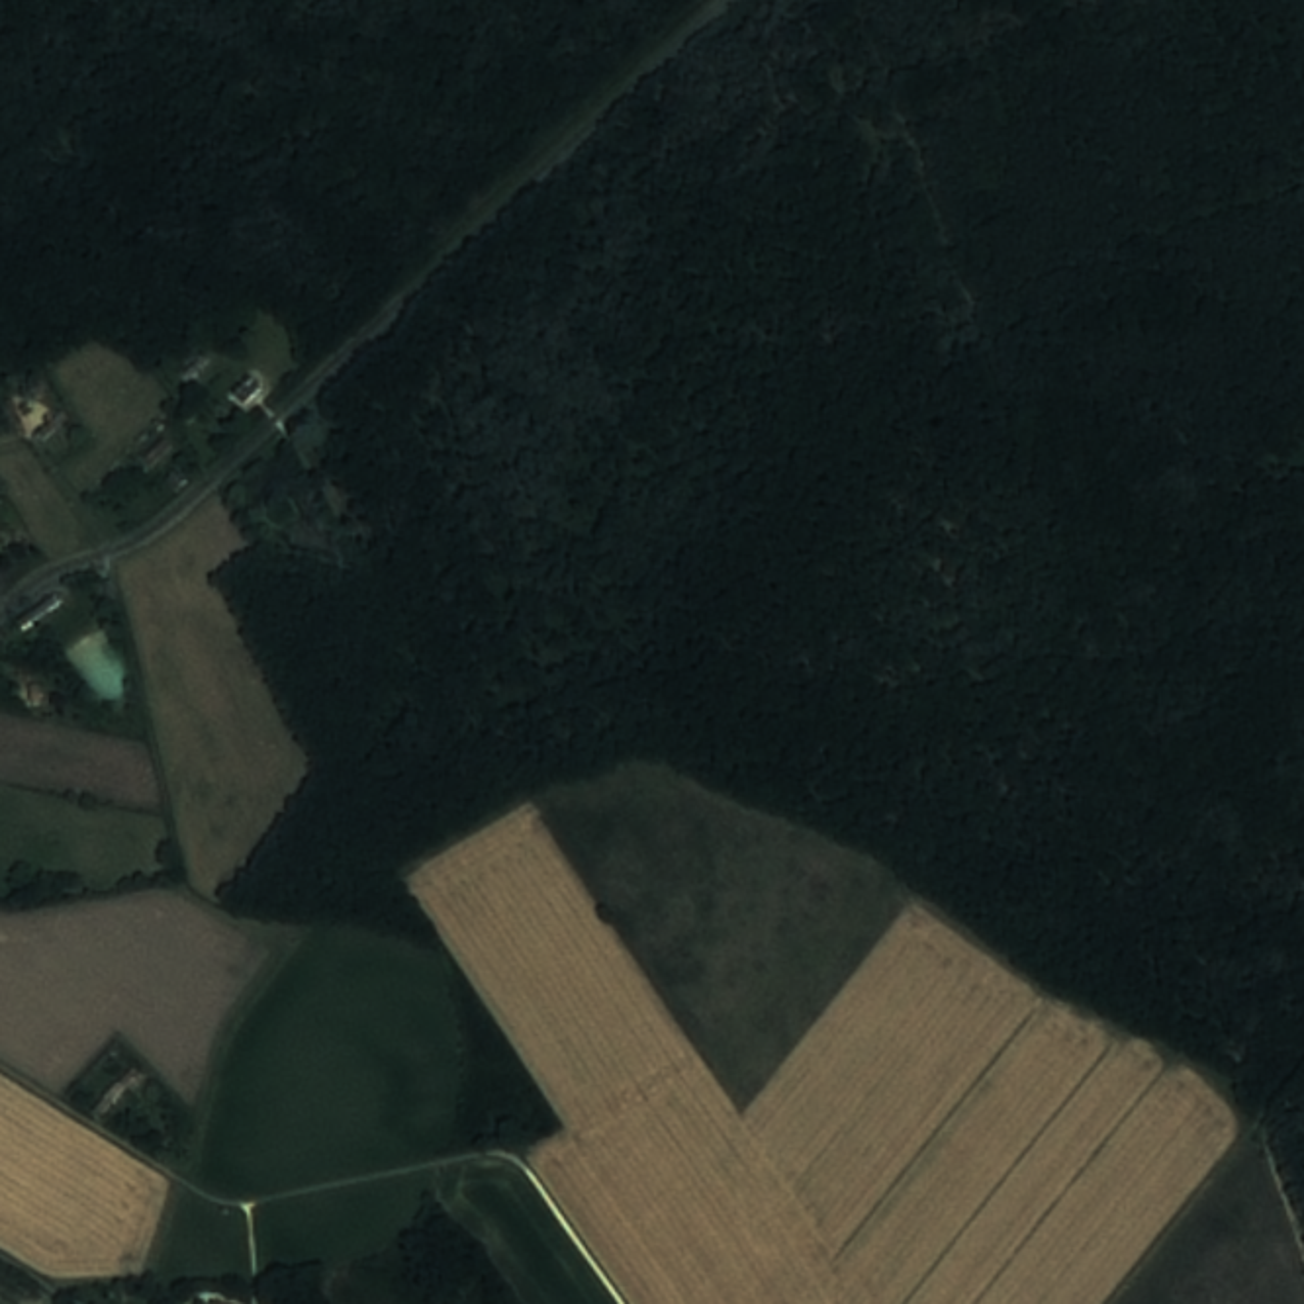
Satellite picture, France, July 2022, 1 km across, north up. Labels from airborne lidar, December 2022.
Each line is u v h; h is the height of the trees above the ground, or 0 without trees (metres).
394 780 25
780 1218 0
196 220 25
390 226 20
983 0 13
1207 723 17
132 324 23
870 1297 0
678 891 0
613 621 15
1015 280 8
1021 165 10
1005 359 20
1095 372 18
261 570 18
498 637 16
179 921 0
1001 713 21
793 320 15
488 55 18
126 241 22
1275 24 16
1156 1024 20
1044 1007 0
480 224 0
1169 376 18
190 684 0
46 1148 0
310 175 20
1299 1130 16
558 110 21
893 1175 0
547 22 17
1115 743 19
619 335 13
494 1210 0
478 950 0
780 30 13
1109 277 14
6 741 0
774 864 0
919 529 20
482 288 21
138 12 15
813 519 22
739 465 19
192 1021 0
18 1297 0
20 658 14
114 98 19
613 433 21
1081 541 17
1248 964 22
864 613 20
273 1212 0
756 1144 0
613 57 20
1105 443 18
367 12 15
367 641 24
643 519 15
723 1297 0
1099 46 9
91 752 0
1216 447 23
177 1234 0
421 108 19
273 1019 0
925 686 18
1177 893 20
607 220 23
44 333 26
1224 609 11
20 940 0
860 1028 0
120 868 0
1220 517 14
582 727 21
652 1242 0
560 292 20
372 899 22
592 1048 0
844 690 22
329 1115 0
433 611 22
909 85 14
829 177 18
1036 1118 0
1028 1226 0
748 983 0
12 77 19
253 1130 0
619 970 0
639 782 0
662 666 19
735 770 14
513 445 24
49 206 23
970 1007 0
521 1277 0
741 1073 0
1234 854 21
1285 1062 16
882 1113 0
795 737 24
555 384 20
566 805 0
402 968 0
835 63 15
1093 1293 0
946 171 11
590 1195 0
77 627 0
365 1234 0
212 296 22
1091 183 13
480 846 0
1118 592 15
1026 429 23
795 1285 0
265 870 22
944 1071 0
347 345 16
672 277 18
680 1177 0
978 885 22
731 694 23
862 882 0
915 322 9
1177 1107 0
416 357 23
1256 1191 0
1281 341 12
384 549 20
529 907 0
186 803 0
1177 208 9
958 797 18
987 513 21
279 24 19
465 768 23
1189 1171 0
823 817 15
